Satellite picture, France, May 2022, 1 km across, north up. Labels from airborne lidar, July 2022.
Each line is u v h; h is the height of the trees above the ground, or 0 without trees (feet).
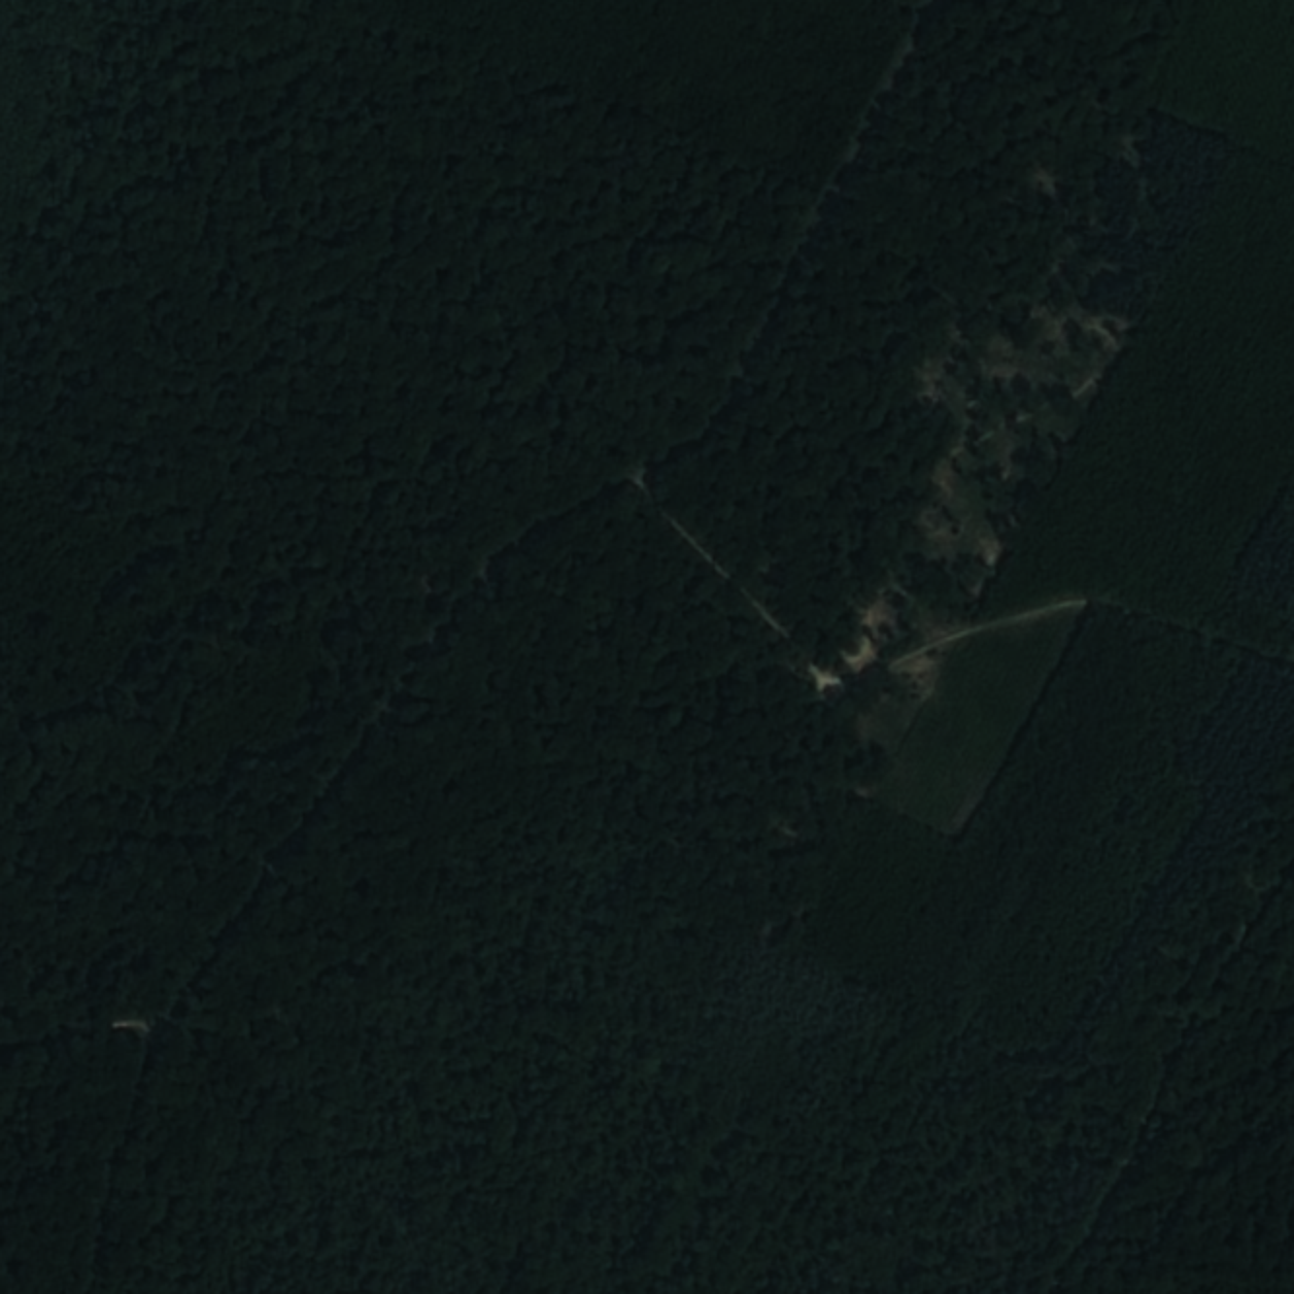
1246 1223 73
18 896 95
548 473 87
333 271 94
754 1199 96
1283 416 43
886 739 0
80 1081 89
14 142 91
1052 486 36
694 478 82
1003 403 75
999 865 65
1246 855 77
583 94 83
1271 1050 75
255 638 91
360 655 84
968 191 94
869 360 78
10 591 42
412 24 82
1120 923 50
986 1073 89
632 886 94
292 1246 77
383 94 79
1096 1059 62
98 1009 89
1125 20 95
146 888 96
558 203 94
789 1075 67
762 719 92
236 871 93
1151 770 50
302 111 86
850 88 48
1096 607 43
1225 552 50
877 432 90
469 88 76
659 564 82
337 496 79
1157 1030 82
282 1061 95
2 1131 45
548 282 77
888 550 87
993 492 59
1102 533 39
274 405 94
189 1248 73
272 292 93
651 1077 81
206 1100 98
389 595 85
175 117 82
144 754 84
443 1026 65
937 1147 43
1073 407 83
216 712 29
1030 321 81
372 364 95
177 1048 93
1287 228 47
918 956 58
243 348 99
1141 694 49
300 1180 86
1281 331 43
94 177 73
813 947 41
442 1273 93
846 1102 53
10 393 100
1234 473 45
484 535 86
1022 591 43
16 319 76
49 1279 95
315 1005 94
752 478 87
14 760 109
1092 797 49
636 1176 86
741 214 87
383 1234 30
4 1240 94
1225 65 28
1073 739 63
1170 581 46
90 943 40
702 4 50
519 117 68
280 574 48
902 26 46
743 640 83
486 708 81
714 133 53
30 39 75
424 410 101
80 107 25
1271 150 29
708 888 82
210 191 72
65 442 94
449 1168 62
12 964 90
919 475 94
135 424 98
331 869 96
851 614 87
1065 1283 88
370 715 83
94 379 91
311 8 88
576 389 89
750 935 61
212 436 98
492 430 90
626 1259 92
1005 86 88
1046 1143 58
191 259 90
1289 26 25
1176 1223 81
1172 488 39
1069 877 45
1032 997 48
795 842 26
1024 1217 49
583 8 86
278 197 84
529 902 59
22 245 80
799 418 93
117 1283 63
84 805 90
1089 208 89
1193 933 77
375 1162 94
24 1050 86
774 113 43
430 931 104
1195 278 46
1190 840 74
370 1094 106
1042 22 93
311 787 92
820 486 87
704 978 70
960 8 77
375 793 93
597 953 91
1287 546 73
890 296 67
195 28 81
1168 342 43
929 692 0
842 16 45
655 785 93
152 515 75
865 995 83
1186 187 74
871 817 39
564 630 91
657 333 82
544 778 75
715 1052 68
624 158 89
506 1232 74
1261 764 92
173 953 94
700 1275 86
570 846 72
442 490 86
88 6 78
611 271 88
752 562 87
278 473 71
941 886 56
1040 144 97
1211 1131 38
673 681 90
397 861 98
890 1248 84
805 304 89
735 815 81
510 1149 67
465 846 71
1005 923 70
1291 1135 85
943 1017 71
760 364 93
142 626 31
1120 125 78
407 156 93
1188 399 41
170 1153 102
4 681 43
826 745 89
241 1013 84
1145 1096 83
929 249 85
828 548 67
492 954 51
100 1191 84
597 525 93
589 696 98
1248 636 55
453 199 63
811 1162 58
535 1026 103
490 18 82
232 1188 85
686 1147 80
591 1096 54
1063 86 88
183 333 98
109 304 93
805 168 47
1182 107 30
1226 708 78
